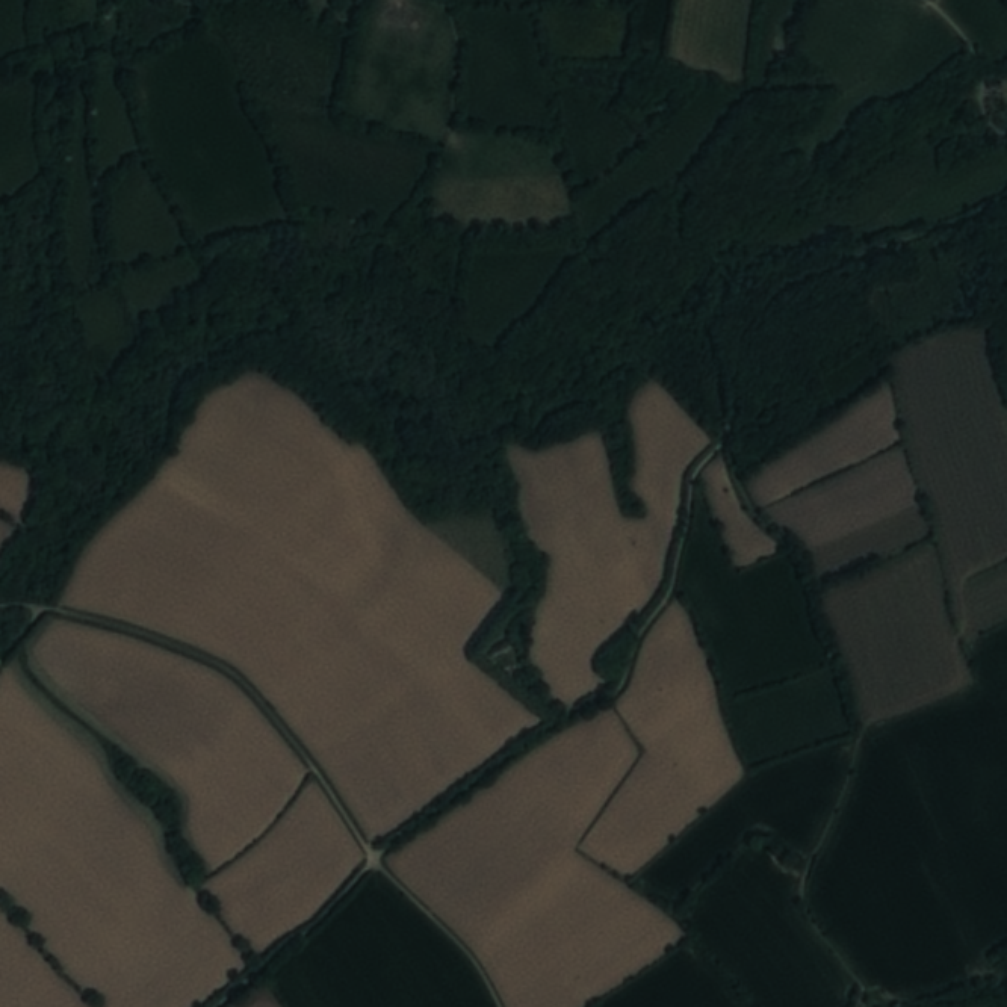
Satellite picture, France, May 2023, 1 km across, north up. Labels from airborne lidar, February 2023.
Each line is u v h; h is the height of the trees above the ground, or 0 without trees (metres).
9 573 10
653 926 0
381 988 0
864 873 0
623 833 0
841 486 0
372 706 0
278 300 11
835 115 0
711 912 0
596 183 7
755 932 0
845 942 0
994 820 0
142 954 0
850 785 0
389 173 0
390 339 9
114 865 0
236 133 0
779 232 0
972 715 0
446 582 0
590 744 0
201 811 0
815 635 13
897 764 0
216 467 0
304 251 15
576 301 22
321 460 0
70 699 0
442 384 11
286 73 0
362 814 0
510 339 14
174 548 0
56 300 18
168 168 0
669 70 15
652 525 0
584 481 0
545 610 0
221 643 0
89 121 9
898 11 0
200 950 0
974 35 0
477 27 0
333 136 0
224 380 15
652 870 0
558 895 0
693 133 0
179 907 0
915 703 0
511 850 0
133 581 0
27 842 0
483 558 0
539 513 0
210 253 19
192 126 0
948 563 0
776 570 0
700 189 23
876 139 21
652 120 13
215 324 20
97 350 0
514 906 0
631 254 18
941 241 16
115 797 0
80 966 0
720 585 0
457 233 18
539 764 0
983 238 21
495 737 0
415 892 0
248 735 0
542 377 19
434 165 14
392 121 0
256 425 0
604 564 0
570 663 0
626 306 18
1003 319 16
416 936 0
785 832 0
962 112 10
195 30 15
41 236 13
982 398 0
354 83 0
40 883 0
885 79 0
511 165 0
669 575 10
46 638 0
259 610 0
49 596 9
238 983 14
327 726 0
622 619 0
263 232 12
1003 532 0
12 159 0
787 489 0
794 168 20
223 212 0
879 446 0
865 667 0
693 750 0
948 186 0
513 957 0
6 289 17
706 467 0
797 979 0
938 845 0
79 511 14
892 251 17
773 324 18
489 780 13
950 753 0
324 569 0
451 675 0
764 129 22
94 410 7
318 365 18
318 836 0
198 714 0
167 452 18
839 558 0
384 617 0
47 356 16
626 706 0
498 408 11
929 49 0
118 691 0
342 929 0
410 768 0
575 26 0
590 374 16
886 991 0
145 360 17
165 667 0
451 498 12
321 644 0
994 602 0
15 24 0
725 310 18
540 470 0
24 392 9
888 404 0
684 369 10
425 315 25
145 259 10
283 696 0
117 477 8
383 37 0
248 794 0
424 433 26
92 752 0
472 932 0
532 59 0
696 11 0
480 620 0
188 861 16
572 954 0
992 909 0
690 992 0
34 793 0
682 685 0
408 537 0
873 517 0
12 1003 0
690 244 17
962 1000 14
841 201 6
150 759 0
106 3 14
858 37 0
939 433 0
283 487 0
